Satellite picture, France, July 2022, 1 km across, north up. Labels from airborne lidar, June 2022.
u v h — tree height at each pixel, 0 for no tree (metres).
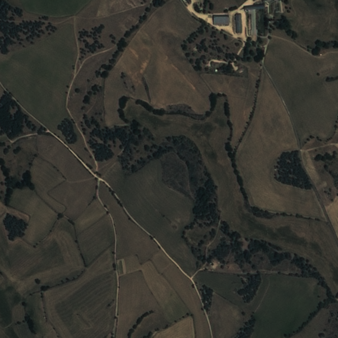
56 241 0
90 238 0
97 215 0
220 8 0
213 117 0
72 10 0
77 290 0
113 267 7
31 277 0
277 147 0
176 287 0
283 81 0
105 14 0
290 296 0
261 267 0
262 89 0
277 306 0
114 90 0
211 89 0
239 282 0
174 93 0
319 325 0
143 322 0
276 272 0
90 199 0
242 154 0
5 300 0
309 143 0
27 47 0
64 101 0
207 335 0
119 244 0
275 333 0
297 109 0
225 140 0
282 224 0
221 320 0
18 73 0
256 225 0
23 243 0
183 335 0
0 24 16
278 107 0
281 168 11
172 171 0
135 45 0
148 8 12
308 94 0
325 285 12
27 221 0
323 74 0
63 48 0
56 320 0
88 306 0
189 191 0
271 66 0
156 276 0
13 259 0
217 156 0
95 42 12
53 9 0
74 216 0
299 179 17
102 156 14
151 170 0
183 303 0
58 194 0
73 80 0
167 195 0
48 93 0
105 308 0
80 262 0
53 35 0
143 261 0
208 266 0
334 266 0
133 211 0
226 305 0
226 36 13
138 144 9
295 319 0
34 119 0
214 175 0
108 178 0
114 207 0
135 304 0
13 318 0
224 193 0
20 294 0
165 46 0
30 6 0
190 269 0
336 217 0
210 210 16
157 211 0
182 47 9
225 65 12
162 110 12
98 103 0
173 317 0
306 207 0
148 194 0
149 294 0
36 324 0
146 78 0
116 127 7
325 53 0
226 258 0
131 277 0
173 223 0
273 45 0
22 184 22
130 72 0
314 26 0
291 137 0
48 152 0
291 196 0
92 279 0
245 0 0
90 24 0
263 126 0
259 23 0
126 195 0
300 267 11
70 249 0
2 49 13
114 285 0
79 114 0
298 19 0
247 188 0
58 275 0
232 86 0
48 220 0
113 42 10
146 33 0
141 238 0
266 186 0
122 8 0
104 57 0
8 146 8
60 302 0
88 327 0
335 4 0
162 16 0
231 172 0
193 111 0
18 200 0
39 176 0
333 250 0
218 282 0
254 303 0
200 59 8
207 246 0
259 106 0
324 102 0
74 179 0
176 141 16
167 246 0
